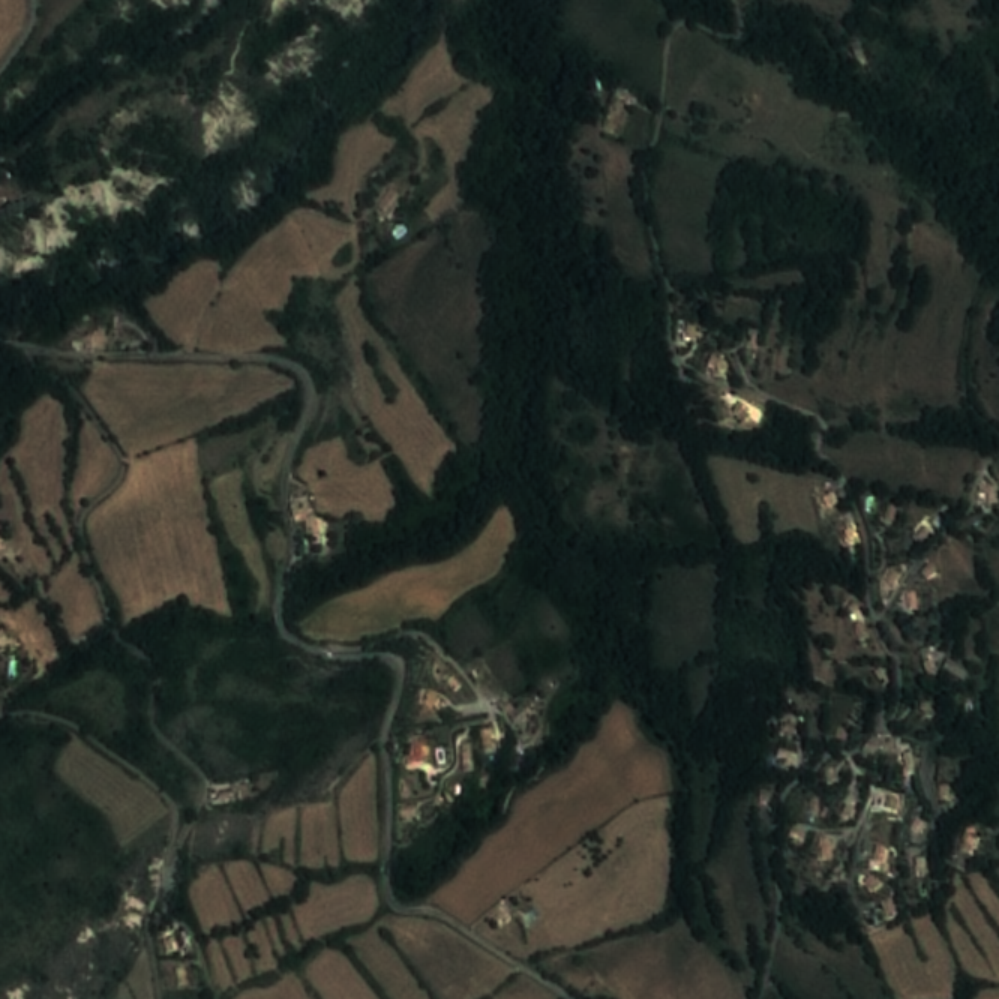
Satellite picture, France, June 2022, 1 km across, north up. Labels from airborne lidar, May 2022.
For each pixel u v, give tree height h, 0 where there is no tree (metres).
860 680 6
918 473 0
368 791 0
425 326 0
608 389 12
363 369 0
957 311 0
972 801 10
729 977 0
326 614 0
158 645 7
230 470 0
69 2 0
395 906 0
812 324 8
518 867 0
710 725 12
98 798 0
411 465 0
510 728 7
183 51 9
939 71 6
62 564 6
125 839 0
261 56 6
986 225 7
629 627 16
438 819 7
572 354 12
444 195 0
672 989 0
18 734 7
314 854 0
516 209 16
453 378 0
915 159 16
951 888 12
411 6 9
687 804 16
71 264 7
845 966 0
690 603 0
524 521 15
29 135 16
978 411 9
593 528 9
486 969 0
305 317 10
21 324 16
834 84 17
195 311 0
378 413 0
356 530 12
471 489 20
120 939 0
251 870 0
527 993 0
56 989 0
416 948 0
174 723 0
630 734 0
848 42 8
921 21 0
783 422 16
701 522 0
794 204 9
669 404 13
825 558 15
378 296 0
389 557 15
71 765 0
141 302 11
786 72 6
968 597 13
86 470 0
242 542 0
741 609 10
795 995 9
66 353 0
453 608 6
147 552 0
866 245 13
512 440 18
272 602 0
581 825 0
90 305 9
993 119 7
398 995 0
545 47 16
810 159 0
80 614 0
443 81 0
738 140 0
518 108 13
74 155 6
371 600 0
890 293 0
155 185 6
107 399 0
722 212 9
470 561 0
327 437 0
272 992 0
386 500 0
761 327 11
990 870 8
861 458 0
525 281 11
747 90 0
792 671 10
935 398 0
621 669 15
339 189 0
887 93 11
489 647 0
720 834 13
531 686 9
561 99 23
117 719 0
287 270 0
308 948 7
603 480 0
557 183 20
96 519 0
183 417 0
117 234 17
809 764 6
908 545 0
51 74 7
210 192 11
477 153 14
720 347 7
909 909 9
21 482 7
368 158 0
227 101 0
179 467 0
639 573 15
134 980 0
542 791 0
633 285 14
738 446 15
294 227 0
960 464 0
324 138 9
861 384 0
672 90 0
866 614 11
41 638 0
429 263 0
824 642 14
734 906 0
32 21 0
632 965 0
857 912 10
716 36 9
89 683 0
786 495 0
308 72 6
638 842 0
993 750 11
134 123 10
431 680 0
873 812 0
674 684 11
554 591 9
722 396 0
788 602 14
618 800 0
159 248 11
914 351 0
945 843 13
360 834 0
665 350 9
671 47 0
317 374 6
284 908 13
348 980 0
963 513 12
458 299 0
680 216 0
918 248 0
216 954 0
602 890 0
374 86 7
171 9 8
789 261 9
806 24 16
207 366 0
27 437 0
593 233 12
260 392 0
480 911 0
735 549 17
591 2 0
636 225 0
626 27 0
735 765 11
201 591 0
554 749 15
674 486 0
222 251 13
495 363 18
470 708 0
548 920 0
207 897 0
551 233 6
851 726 7
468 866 0
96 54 8
